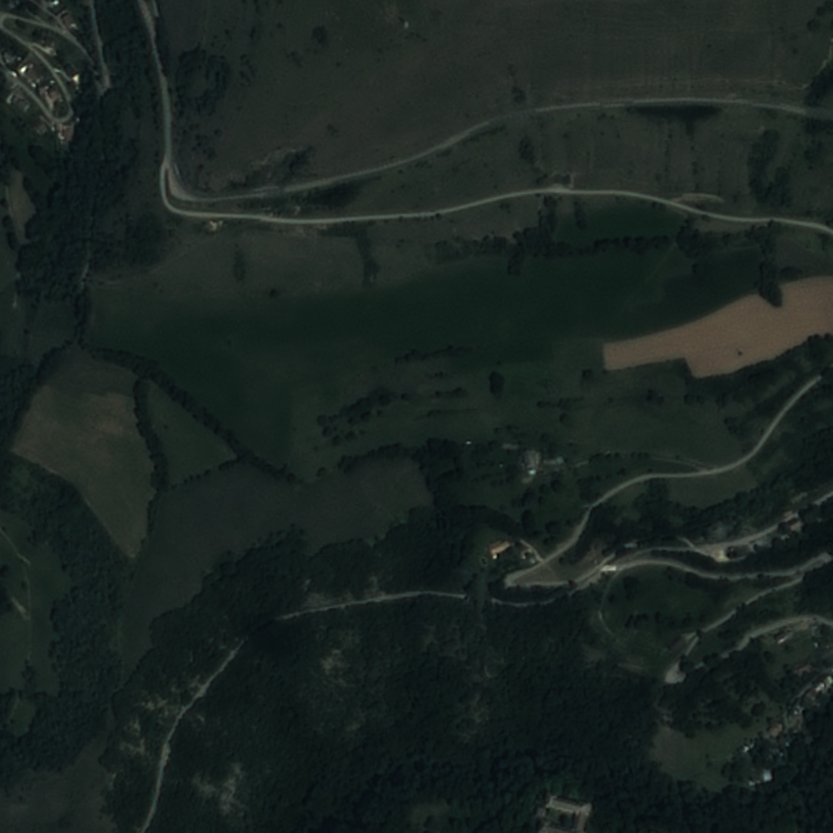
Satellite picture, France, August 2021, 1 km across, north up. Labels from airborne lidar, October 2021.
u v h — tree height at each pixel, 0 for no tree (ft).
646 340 0
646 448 0
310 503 0
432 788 63
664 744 0
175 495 0
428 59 0
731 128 0
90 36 43
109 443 0
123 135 26
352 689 23
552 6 0
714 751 0
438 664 47
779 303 27
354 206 0
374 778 40
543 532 19
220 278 0
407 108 0
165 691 34
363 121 0
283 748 48
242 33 0
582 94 0
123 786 31
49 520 46
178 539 0
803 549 46
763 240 28
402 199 0
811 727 54
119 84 29
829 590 23
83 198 31
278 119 0
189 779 23
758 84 0
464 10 0
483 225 0
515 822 68
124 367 29
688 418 0
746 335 0
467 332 0
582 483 25
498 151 0
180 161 0
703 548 0
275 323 0
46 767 27
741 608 34
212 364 0
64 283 35
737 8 0
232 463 33
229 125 0
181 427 0
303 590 27
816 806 70
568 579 0
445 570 61
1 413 26
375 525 0
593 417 0
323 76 0
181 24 0
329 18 0
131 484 0
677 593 0
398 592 28
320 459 0
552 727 113
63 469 0
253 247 0
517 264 29
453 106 0
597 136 0
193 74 29
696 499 0
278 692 51
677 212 0
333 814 35
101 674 27
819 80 31
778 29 0
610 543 26
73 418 0
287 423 0
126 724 28
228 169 0
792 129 0
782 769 52
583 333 0
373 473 0
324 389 0
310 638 23
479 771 84
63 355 44
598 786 90
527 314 0
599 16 0
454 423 0
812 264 0
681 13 0
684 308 0
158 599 0
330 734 34
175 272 0
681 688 38
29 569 0
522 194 0
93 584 25
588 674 41
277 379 0
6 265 0
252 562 47
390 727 28
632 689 44
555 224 39
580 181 0
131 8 19
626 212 0
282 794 44
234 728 23
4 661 0
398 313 0
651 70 0
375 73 0
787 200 36
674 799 23
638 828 63
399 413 0
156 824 32
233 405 0
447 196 0
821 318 0
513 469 32
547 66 0
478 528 73
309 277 0
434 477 40
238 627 48
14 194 0
